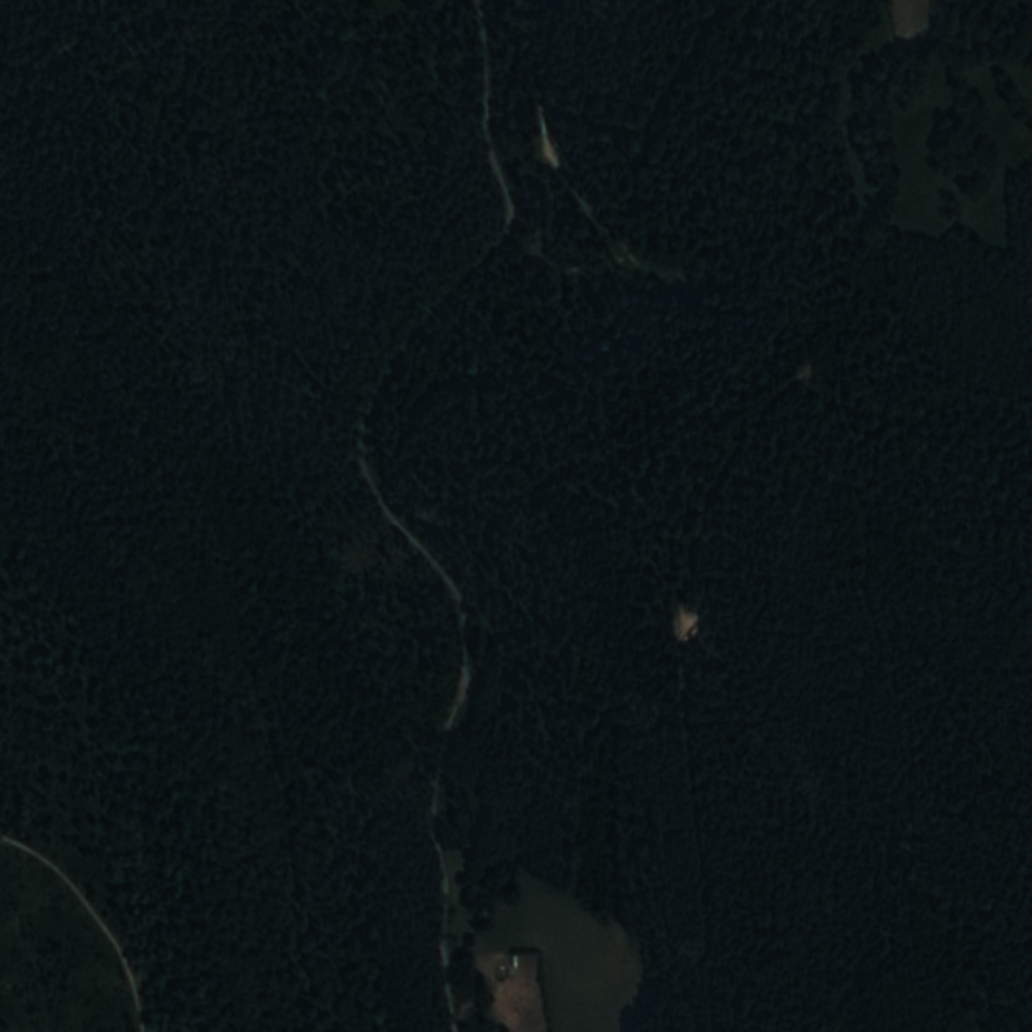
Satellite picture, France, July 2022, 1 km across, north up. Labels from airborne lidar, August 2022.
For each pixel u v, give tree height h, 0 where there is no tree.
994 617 28
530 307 7
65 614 17
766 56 25
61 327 20
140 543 17
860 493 19
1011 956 21
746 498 21
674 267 7
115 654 27
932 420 16
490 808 23
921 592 26
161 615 13
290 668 17
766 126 25
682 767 26
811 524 26
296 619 11
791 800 20
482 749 27
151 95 28
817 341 18
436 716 15
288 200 26
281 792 18
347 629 19
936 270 17
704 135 31
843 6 13
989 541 23
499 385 29
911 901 17
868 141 28
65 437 17
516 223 11
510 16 7
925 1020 10
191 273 23
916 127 0
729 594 19
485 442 18
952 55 25
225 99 26
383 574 9
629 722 21
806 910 22
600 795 10
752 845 15
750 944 19
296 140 32
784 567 24
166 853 22
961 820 21
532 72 12
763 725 23
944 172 17
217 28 27
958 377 15
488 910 11
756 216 26
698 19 10
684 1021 31
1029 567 23
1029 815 19
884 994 12
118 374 19
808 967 24
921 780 22
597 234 6
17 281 17
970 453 24
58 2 27
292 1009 28
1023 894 12
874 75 23
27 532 13
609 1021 0
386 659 22
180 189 9
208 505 18
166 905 8
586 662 23
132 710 14
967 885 19
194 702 14
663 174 25
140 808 7
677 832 24
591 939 0
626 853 7
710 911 19
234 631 14
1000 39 20
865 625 28
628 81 29
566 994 0
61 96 20
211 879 22
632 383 9
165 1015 20
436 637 25
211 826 20
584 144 27
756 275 33
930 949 11
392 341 23
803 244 17
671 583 20
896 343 8
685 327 23
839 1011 21
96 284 11
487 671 26
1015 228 16
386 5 0
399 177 25
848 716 25
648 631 18
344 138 12
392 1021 22
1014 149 0
